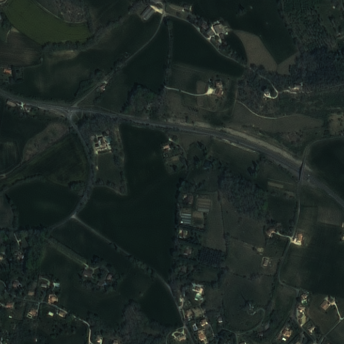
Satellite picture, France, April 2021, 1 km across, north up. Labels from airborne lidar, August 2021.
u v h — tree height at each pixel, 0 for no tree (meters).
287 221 0
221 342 19
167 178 0
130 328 24
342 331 0
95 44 18
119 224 0
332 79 9
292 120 0
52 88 0
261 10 0
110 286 11
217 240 0
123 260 0
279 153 0
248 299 0
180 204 15
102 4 0
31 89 0
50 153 0
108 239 0
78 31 0
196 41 0
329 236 0
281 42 0
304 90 13
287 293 0
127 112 14
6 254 15
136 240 0
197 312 0
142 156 0
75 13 7
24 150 0
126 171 0
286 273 0
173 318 0
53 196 0
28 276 25
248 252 0
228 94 0
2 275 0
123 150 0
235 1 0
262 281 0
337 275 0
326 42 22
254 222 0
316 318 0
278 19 0
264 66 0
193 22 9
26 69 0
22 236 26
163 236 0
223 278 16
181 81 0
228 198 13
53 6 0
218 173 0
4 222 0
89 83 12
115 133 15
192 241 14
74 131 10
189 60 0
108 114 0
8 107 9
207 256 15
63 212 0
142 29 0
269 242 12
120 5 0
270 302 16
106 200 0
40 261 18
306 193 0
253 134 0
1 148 0
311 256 0
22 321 9
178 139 13
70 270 0
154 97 21
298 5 9
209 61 0
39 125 0
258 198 27
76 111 0
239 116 0
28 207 0
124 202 0
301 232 0
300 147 8
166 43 0
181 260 19
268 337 7
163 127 8
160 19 0
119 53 0
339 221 0
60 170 0
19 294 11
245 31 0
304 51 12
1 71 0
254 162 0
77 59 0
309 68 18
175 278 10
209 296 0
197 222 0
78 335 0
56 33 0
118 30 0
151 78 0
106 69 0
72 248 0
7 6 0
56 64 0
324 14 0
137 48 0
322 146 0
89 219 0
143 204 0
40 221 0
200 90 0
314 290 0
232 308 0
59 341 0
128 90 0
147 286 0
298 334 6
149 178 0
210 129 0
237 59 14
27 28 0
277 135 7
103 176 0
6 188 15
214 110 8
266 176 0
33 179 14
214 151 0
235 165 0
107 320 0
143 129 0
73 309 0
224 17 0
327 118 11
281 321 10
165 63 0
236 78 0
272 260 0
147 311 0
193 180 0
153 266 0
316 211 0
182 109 0
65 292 0
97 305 0
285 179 0
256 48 0
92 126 25
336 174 0
